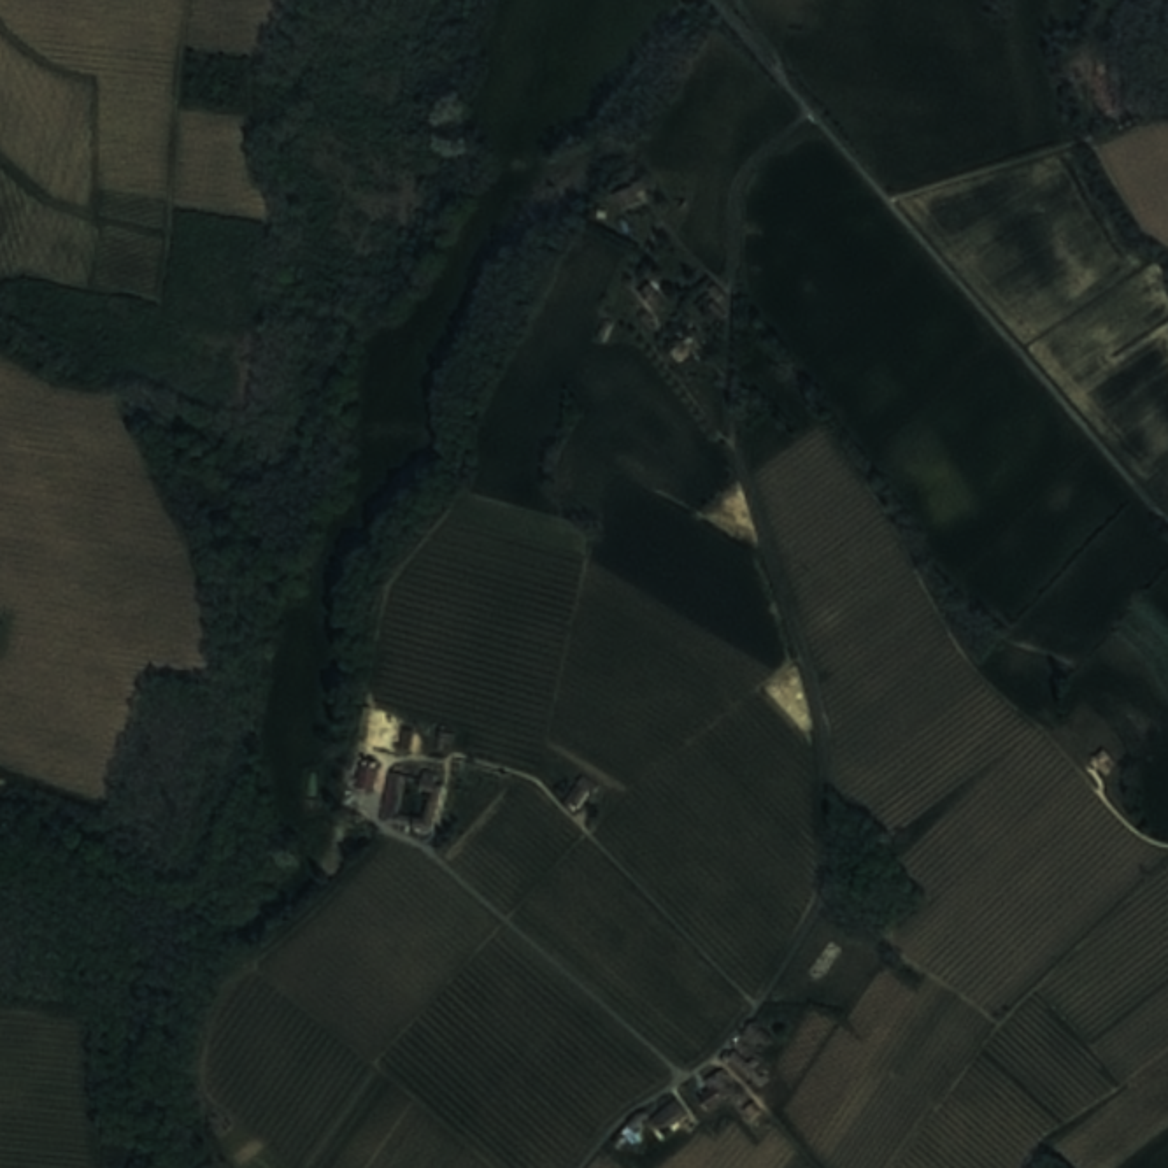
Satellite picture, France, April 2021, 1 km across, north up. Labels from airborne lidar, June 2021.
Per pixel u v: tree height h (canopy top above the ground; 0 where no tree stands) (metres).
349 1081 0
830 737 0
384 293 16
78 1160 0
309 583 19
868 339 0
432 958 0
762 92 0
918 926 0
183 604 0
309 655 0
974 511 0
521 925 0
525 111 0
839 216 0
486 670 0
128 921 23
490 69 15
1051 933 0
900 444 0
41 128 0
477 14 12
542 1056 0
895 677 0
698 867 0
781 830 0
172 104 0
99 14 0
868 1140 0
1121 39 22
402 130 10
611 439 0
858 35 0
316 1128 0
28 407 0
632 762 0
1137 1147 0
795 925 0
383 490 0
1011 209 0
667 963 0
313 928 0
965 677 0
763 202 0
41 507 0
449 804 0
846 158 0
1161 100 23
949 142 0
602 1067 0
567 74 0
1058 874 0
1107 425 0
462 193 14
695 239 0
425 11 10
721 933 0
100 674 0
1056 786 0
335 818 13
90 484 0
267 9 0
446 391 20
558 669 0
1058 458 0
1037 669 0
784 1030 9
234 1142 0
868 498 0
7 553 0
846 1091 0
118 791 20
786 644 0
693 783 0
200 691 15
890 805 0
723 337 10
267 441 21
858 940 12
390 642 0
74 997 21
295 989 0
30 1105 0
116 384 16
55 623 0
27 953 24
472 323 19
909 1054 0
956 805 0
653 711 0
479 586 0
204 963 24
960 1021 0
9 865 21
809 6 0
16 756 0
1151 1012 0
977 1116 0
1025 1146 0
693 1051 0
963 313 0
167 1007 24
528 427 0
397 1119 0
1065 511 0
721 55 0
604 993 0
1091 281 0
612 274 0
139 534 0
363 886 0
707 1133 0
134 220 0
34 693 0
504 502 0
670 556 0
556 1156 0
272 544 25
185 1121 22
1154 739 0
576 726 0
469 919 0
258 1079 0
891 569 0
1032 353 0
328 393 21
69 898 22
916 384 0
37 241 0
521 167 0
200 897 24
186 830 13
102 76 0
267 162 21
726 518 0
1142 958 0
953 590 12
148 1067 30
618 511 0
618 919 0
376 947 0
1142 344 0
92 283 0
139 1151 9
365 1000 0
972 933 0
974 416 0
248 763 18
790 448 0
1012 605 0
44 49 0
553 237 18
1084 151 15
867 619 0
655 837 0
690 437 0
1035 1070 0
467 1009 0
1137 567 0
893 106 0
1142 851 0
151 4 0
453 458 18
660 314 0
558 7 0
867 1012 0
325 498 23
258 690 21
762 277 0
